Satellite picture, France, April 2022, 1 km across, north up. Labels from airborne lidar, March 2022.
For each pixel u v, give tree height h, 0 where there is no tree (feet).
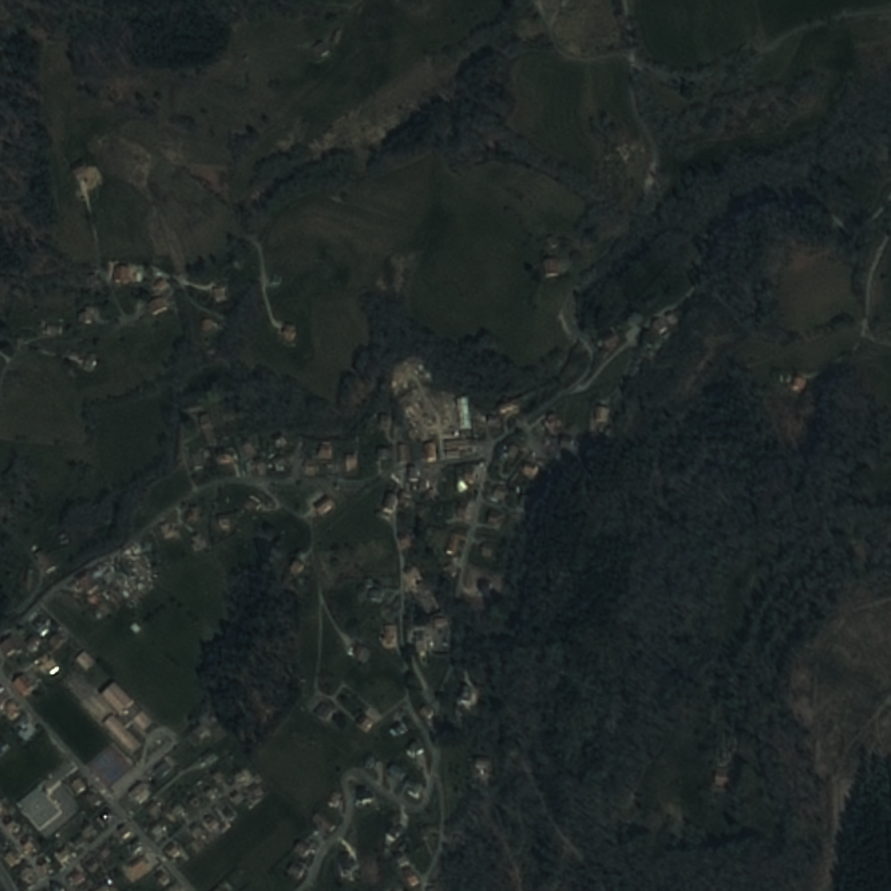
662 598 72
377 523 0
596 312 55
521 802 66
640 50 50
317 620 0
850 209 45
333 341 0
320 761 0
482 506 0
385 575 0
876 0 0
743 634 0
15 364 0
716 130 100
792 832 79
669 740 0
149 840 0
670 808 0
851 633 0
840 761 0
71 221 0
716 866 69
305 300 0
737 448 51
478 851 63
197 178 0
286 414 82
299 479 0
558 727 31
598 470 94
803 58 0
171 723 0
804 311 0
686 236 70
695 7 0
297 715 0
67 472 0
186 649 0
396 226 0
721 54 0
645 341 28
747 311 75
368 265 0
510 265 0
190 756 0
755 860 93
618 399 0
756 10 0
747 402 39
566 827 73
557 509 86
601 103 0
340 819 0
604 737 38
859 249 58
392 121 0
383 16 0
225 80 0
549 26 0
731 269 71
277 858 0
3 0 57
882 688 0
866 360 0
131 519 77
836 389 90
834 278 0
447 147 95
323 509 0
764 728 53
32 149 76
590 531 94
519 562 41
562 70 0
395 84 0
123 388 0
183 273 0
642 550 77
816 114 0
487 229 0
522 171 0
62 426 0
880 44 0
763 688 43
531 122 0
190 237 0
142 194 0
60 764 0
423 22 0
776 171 77
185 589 0
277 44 0
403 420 57
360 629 64
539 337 0
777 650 62
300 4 82
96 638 0
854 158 73
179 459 0
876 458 99
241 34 0
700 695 62
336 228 0
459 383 86
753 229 80
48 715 0
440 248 0
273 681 73
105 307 23
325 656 0
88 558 54
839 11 0
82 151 0
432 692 0
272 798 0
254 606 47
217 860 0
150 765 0
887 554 72
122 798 0
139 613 0
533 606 80
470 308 0
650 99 30
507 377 87
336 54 0
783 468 75
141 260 0
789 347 45
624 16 52
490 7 0
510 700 63
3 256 69
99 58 105
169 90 0
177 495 0
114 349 0
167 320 0
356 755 0
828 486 93
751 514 69
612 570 51
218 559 0
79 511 71
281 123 0
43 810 0
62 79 0
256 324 60
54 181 59
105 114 0
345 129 0
